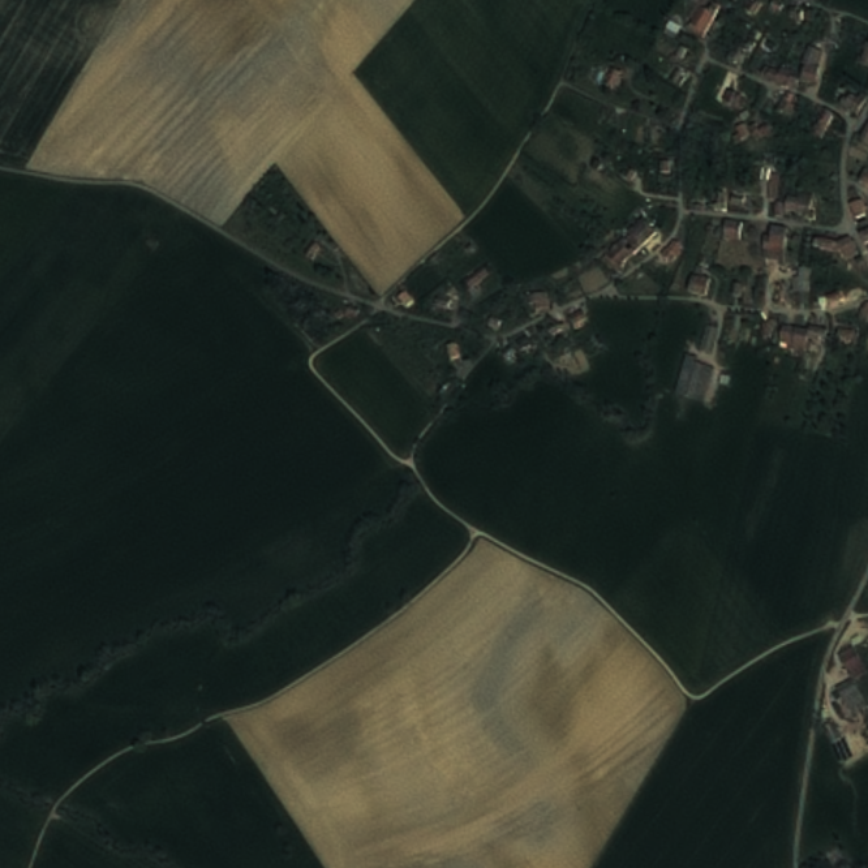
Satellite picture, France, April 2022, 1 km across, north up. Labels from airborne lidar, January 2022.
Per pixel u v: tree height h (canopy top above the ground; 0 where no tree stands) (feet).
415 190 0
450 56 0
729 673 0
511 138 0
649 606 0
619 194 0
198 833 0
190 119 0
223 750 0
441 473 0
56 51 0
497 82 0
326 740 0
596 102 0
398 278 0
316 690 0
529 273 0
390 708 0
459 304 0
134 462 0
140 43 0
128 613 0
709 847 0
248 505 0
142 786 0
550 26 0
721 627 0
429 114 0
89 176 0
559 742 0
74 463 0
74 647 0
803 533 0
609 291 0
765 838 0
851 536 0
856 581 0
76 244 0
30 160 0
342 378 0
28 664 0
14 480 0
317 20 0
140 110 0
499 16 0
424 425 0
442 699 0
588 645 0
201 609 0
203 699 0
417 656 0
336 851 0
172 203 0
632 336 0
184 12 0
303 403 0
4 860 0
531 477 0
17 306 0
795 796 0
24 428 0
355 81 0
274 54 0
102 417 0
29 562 0
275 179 44
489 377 0
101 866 0
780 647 0
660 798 0
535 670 0
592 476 0
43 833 0
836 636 0
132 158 0
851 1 0
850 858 0
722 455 0
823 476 0
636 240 0
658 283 0
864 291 0
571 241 0
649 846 0
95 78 0
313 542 0
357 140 0
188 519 0
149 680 0
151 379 0
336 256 0
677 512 0
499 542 0
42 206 0
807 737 0
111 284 0
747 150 0
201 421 0
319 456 0
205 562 0
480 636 0
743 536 0
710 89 0
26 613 0
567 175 0
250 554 0
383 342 0
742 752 0
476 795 0
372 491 0
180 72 0
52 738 0
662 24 0
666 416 0
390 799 0
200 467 0
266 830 0
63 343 0
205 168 0
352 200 0
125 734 0
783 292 0
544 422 0
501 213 0
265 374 0
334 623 0
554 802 0
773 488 0
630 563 0
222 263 0
